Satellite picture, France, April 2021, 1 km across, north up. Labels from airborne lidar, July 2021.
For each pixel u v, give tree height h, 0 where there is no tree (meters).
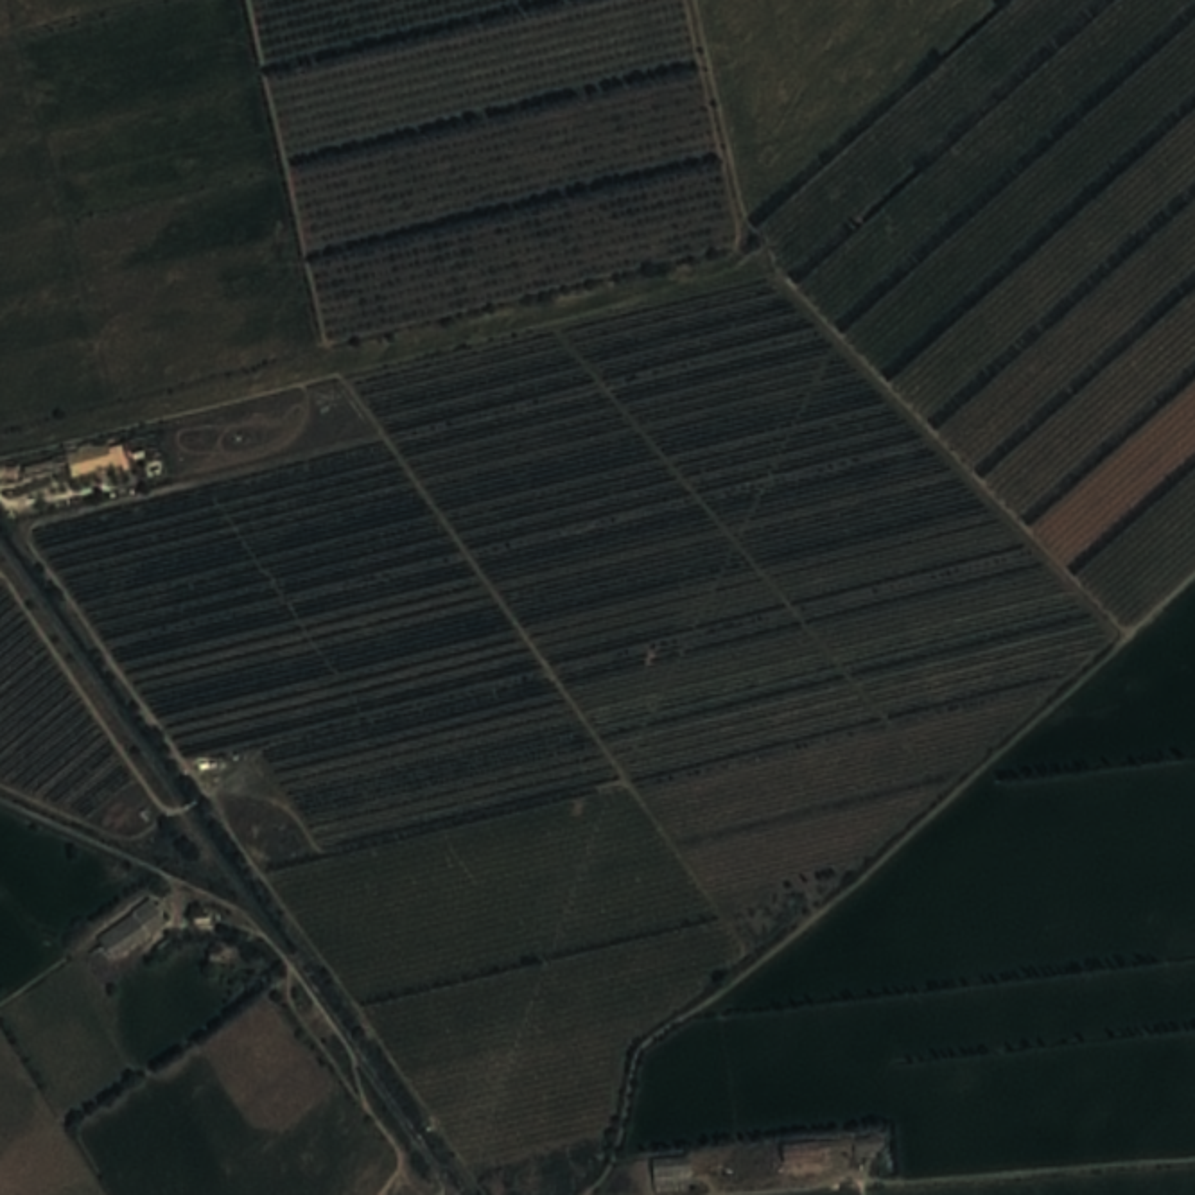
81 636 0
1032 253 17
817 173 13
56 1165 0
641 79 13
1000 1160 0
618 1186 0
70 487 7
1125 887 0
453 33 11
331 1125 0
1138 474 0
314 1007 0
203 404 0
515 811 8
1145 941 0
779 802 0
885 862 0
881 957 0
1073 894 0
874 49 0
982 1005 0
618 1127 6
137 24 0
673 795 0
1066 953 0
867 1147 0
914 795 0
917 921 0
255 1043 0
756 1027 0
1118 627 0
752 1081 0
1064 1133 0
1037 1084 0
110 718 0
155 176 0
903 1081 0
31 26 0
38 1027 0
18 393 0
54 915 0
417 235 11
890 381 16
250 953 8
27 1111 0
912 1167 0
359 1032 7
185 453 0
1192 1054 0
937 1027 0
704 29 0
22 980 0
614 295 0
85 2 0
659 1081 0
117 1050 0
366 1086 0
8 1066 0
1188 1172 0
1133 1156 0
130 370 0
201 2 0
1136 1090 0
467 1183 0
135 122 0
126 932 0
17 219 0
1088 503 0
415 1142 0
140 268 0
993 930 0
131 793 0
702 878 0
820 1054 0
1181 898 0
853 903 0
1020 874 0
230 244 0
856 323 16
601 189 13
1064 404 15
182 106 0
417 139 15
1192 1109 0
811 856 0
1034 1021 0
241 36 0
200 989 0
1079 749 0
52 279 0
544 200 8
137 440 8
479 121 12
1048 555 0
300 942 0
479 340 0
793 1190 0
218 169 0
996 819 0
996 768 0
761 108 0
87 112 0
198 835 0
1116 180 16
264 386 0
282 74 10
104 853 0
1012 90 14
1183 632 0
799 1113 0
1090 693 0
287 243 0
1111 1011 0
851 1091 0
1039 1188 0
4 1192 0
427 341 0
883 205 8
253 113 0
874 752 0
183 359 0
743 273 0
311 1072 0
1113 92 16
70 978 0
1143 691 0
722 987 12
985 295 16
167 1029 0
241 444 0
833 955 0
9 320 0
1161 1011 0
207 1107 0
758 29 0
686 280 0
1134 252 18
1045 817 0
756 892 0
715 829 0
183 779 7
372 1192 0
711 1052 0
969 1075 0
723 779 0
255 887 13
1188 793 0
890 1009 0
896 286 17
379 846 10
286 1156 0
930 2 0
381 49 13
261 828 0
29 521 0
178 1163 0
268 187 0
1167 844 0
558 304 0
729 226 0
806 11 0
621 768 0
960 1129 0
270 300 0
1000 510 0
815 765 0
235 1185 0
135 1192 0
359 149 12
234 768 0
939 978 0
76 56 0
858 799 0
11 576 0
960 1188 0
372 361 0
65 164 0
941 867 0
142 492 6
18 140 0
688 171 9
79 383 0
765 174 0
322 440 0
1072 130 16
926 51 0
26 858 0
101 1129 0
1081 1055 0
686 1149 9
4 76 0
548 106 12
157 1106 0
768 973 0
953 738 0
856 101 0
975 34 9
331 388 0
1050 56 17
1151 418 13
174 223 0
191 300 0
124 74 0
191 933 8
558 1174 0
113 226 0
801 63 0
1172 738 0
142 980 0
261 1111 0
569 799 9
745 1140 9
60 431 0
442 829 8
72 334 0
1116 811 0
